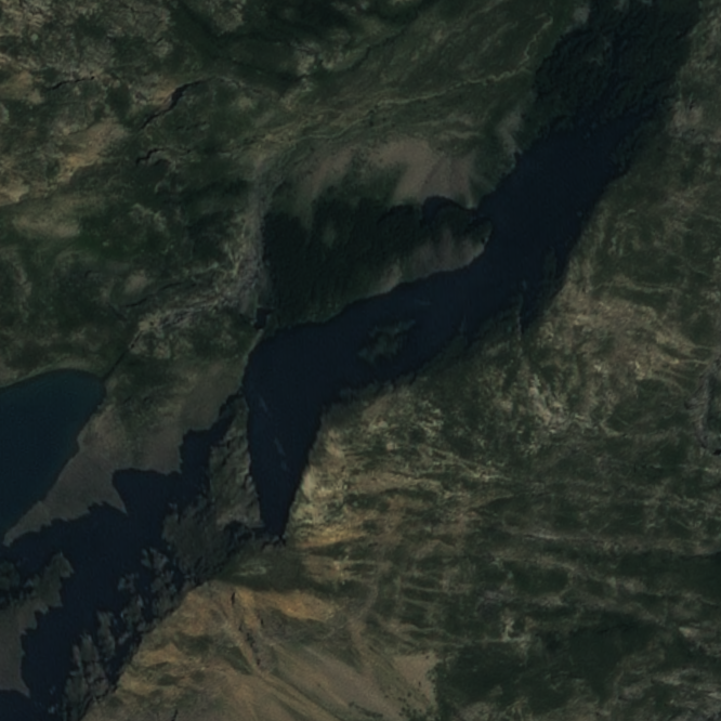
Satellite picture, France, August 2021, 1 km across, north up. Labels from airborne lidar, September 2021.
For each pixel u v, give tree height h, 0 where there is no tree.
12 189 0
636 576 0
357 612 0
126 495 0
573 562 0
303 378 0
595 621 0
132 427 0
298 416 0
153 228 0
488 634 0
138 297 0
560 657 0
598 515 0
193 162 0
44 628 0
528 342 0
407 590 0
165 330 0
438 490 0
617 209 0
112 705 0
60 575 0
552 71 7
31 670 0
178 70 0
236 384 0
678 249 0
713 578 0
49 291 0
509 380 0
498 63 0
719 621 0
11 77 0
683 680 0
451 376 0
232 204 0
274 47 0
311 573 0
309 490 0
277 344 0
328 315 0
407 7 0
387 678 0
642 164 0
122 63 0
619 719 0
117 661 0
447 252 0
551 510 0
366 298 0
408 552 0
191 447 0
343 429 0
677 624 0
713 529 0
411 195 0
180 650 0
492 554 0
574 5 0
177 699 0
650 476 0
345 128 0
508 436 0
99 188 0
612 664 0
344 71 0
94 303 0
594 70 5
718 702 0
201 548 0
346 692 0
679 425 0
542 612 0
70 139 0
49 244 0
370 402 0
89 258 0
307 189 0
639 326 0
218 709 0
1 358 0
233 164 0
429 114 0
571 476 0
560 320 0
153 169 0
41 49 0
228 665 0
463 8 0
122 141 0
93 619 0
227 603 0
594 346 0
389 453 0
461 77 0
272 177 0
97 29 0
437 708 0
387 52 0
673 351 0
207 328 0
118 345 0
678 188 0
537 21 0
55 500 0
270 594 0
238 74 0
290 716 0
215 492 0
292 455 0
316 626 0
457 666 0
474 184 0
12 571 0
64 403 0
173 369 0
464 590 0
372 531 0
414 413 0
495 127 0
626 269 0
